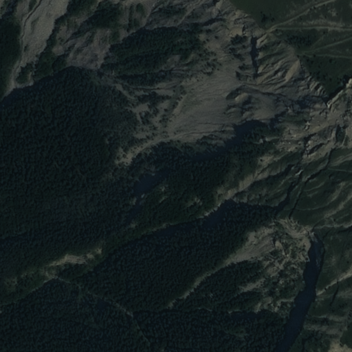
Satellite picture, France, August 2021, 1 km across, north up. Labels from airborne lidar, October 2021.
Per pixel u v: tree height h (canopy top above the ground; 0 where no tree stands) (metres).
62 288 8
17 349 25
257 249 0
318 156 0
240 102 0
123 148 12
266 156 0
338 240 0
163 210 16
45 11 0
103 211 19
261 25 0
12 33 20
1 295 19
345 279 0
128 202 8
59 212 16
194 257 19
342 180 0
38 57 7
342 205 0
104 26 13
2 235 26
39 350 11
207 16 0
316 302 0
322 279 0
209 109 0
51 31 0
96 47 0
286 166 0
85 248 11
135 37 6
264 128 10
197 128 0
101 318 18
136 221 8
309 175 0
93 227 25
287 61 0
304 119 0
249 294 16
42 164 17
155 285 22
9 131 19
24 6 0
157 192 7
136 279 27
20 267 18
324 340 0
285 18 0
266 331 31
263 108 0
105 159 16
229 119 0
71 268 15
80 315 11
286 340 12
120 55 10
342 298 0
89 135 18
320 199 0
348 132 0
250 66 0
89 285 21
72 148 25
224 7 0
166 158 16
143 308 26
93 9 5
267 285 7
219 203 0
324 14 0
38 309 18
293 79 0
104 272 18
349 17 0
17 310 20
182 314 18
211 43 0
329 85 0
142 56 9
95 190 17
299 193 0
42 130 21
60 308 18
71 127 26
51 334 19
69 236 36
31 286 9
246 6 0
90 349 21
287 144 0
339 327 0
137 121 6
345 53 0
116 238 15
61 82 19
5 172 23
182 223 8
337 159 0
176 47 12
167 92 0
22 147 24
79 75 16
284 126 0
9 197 12
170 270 24
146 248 35
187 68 0
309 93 0
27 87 7
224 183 13
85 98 20
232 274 23
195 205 8
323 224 0
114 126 9
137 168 24
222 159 18
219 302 11
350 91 0
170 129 0
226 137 0
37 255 26
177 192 12
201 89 0
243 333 7
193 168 19
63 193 9
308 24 0
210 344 20
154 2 0
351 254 0
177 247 27
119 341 22
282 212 0
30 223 25
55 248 16
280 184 0
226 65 0
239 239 12
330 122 0
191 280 11
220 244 22
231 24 0
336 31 0
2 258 10
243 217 20
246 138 7
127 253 36
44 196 20
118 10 8
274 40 0
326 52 0
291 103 0
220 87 0
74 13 7
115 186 21
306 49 0
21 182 23
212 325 16
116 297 23
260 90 0
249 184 0
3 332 27
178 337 21
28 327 18
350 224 0
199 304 10
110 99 7
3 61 16
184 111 0
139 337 10
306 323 0
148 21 0
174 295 19
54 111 21
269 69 0
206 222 9
